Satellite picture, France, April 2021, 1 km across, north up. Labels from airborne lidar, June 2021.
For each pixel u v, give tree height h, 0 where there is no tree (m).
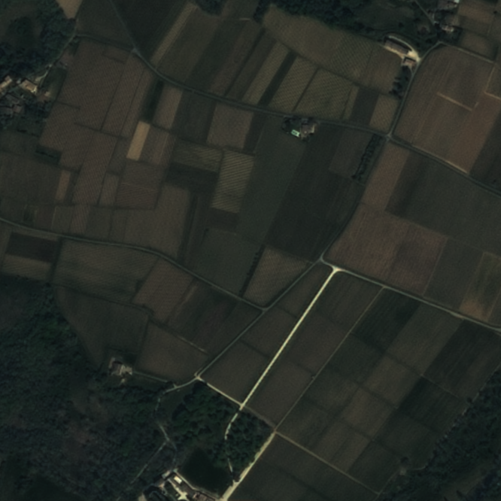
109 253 0
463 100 0
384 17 0
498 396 15
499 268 0
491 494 28
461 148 0
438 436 0
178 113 0
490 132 0
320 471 0
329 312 0
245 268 0
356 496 0
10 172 0
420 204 0
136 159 0
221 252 0
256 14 10
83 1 0
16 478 0
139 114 0
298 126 9
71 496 0
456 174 0
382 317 0
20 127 0
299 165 0
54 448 9
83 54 0
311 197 0
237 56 0
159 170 0
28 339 10
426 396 0
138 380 0
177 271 0
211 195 0
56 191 0
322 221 0
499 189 0
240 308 0
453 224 0
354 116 0
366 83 0
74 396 0
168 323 0
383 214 0
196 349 0
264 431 16
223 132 0
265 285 0
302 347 0
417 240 0
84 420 19
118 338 0
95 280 0
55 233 0
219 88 0
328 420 0
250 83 0
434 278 0
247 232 0
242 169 0
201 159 0
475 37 0
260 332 0
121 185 0
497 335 0
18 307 0
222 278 0
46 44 18
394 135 0
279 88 0
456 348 0
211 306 0
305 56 0
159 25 0
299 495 0
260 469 0
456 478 14
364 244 0
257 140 0
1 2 14
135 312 0
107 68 0
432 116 0
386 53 0
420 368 0
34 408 18
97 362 0
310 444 0
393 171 0
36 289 0
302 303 0
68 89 0
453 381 0
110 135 0
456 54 0
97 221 0
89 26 0
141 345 0
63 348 11
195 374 0
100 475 16
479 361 0
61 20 23
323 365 0
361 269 0
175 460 6
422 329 0
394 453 0
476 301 0
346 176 0
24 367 21
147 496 11
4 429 19
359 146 0
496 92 0
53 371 22
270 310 0
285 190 0
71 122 0
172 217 0
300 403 0
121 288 0
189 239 0
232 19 0
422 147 0
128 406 26
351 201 0
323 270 0
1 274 0
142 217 0
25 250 0
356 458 0
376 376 0
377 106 0
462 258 0
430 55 0
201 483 0
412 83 0
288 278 0
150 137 0
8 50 13
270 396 0
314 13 21
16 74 7
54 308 9
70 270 0
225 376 0
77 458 0
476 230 0
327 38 0
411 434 0
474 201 0
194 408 18
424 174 0
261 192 0
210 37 0
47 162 0
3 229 0
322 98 0
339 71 0
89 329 0
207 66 0
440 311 0
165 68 0
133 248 0
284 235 0
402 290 0
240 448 18
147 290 0
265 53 0
